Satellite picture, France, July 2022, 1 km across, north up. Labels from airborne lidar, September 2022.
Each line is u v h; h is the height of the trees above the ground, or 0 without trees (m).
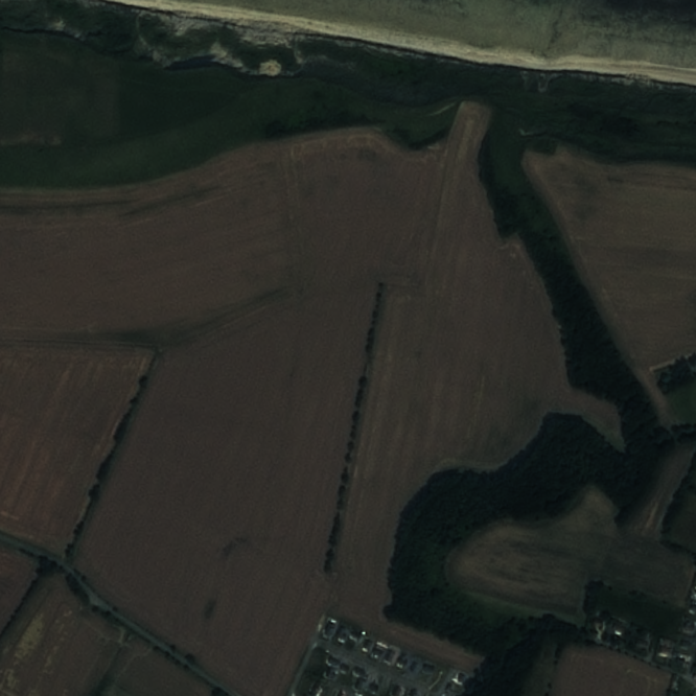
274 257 0
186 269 0
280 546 0
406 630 0
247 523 0
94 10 0
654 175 0
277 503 0
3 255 0
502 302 0
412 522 16
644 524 0
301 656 0
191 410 0
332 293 0
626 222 0
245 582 0
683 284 0
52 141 0
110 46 0
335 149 0
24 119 0
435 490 20
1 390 0
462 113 0
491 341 0
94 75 0
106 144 0
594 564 0
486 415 0
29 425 0
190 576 0
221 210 0
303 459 0
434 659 0
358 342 0
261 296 0
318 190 0
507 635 14
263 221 0
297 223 0
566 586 0
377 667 0
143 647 0
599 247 0
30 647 0
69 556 9
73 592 11
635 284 0
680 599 0
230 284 0
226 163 0
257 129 0
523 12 0
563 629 17
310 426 0
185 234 0
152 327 0
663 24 0
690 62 0
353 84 0
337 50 0
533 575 0
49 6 0
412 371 0
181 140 0
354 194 0
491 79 0
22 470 0
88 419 0
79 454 0
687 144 0
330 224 0
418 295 0
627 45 0
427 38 0
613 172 0
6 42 0
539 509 12
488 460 0
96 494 13
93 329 0
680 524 0
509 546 0
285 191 0
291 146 0
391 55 0
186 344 0
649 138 0
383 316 0
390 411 0
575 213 0
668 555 0
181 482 0
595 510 0
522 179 0
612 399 15
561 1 0
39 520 0
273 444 0
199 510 0
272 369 0
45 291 0
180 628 0
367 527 0
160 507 0
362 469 0
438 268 0
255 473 0
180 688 0
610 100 0
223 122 0
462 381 0
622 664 0
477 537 0
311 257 0
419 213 0
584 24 0
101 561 0
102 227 0
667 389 12
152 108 0
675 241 0
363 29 0
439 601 9
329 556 11
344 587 0
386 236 0
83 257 0
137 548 0
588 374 20
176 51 0
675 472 0
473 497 18
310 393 0
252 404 0
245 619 0
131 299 0
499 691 21
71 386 0
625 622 0
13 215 0
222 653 0
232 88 0
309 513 0
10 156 0
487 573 0
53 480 0
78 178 0
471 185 0
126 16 0
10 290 0
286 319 0
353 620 0
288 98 0
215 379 0
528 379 0
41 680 0
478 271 0
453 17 0
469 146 0
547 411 0
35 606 0
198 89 0
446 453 0
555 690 0
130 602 0
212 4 0
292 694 0
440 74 0
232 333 0
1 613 0
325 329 0
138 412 0
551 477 21
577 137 0
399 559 14
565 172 0
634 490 22
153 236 0
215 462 0
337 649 0
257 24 0
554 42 0
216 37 0
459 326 0
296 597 0
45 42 0
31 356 0
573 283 10
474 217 0
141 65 0
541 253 8
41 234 0
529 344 0
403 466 0
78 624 0
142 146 0
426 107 0
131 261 0
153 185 0
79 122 0
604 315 0
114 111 0
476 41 0
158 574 0
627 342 0
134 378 0
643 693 0
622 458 15
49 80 0
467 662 0
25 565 0
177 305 0
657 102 0
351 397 0
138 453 0
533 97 0
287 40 0
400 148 0
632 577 0
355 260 0
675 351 0
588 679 0
